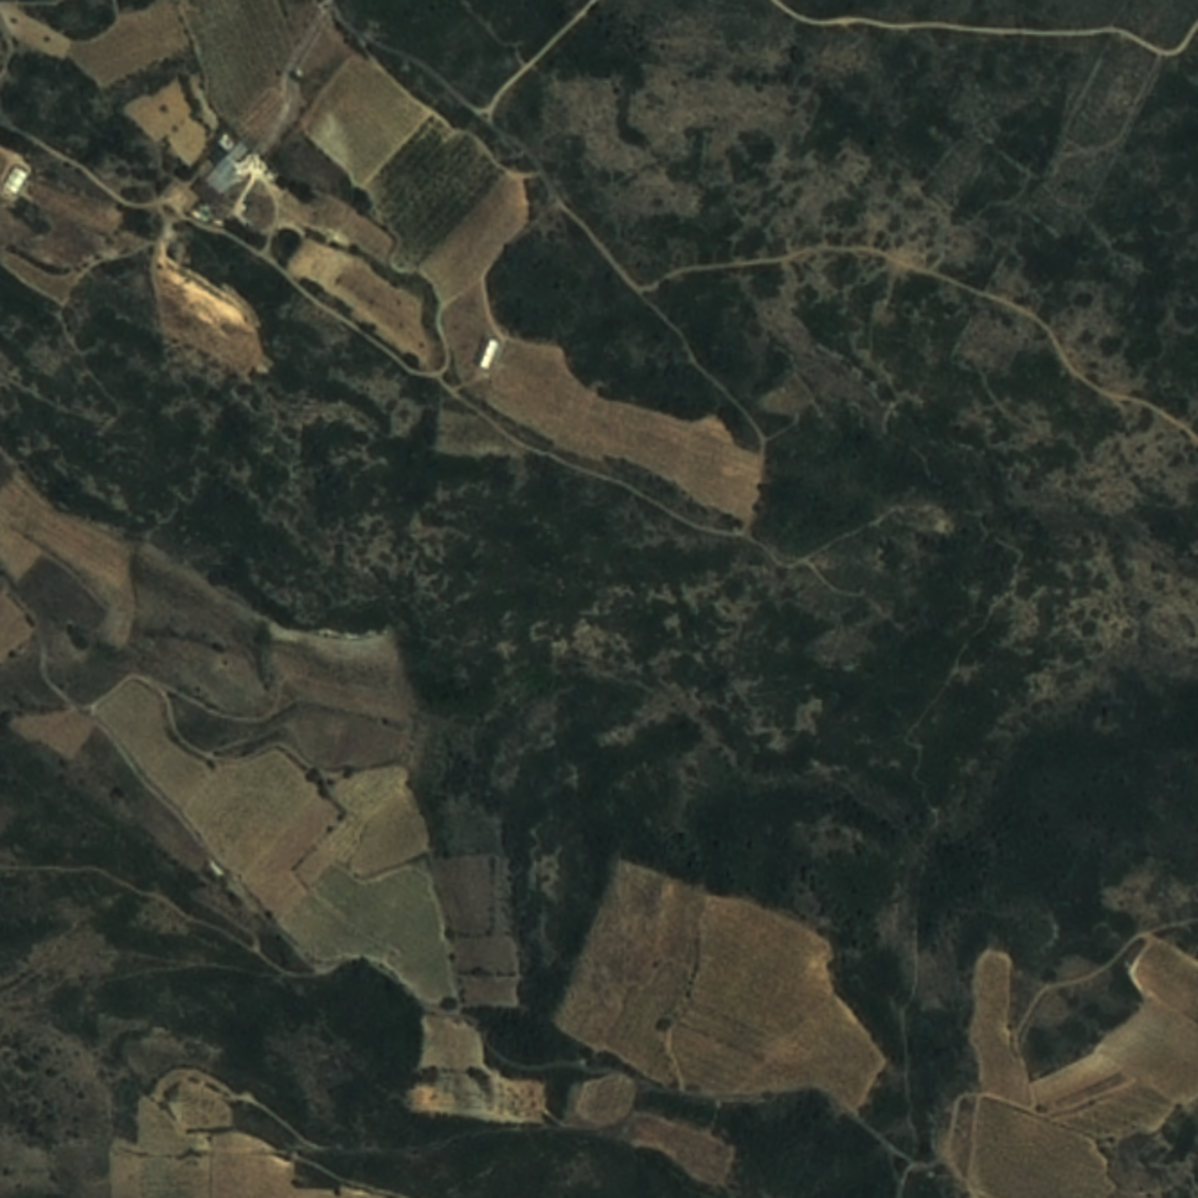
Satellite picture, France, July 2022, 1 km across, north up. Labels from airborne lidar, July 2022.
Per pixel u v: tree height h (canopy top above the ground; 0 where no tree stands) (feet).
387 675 0
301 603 0
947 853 21
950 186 0
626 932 0
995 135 0
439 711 0
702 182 0
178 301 0
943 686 0
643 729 0
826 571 0
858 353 0
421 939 0
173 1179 0
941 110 0
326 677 0
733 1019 0
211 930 0
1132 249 0
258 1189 0
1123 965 0
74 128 0
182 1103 0
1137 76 0
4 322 0
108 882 0
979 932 0
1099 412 0
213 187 0
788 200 0
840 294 0
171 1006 0
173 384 0
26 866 0
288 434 0
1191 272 0
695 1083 0
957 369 0
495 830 0
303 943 0
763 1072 0
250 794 0
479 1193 0
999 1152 0
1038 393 0
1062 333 0
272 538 0
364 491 0
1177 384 0
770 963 0
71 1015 0
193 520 0
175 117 0
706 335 0
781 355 0
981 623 0
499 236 0
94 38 0
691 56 0
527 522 0
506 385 0
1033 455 0
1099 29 0
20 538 0
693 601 0
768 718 0
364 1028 0
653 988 0
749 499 0
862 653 0
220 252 0
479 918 0
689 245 0
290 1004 0
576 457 0
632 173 0
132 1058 0
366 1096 0
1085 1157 0
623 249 0
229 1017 0
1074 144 0
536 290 0
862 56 0
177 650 0
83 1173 0
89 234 0
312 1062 0
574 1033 0
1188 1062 0
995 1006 0
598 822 0
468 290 0
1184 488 0
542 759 0
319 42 0
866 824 20
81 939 0
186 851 0
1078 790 0
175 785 0
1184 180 0
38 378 0
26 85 0
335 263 0
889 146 0
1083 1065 0
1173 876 0
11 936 0
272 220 0
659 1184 0
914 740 0
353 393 0
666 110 0
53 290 0
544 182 0
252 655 0
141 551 0
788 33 0
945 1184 0
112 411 0
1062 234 0
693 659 0
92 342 0
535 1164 0
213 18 0
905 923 0
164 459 0
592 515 0
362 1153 0
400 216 0
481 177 0
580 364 0
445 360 0
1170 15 0
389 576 0
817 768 0
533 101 0
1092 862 0
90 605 0
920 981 0
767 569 0
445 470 0
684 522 0
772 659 0
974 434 0
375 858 0
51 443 0
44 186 0
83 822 0
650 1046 0
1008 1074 0
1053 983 0
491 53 0
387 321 0
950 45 0
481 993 0
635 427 0
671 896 0
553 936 0
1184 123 0
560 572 0
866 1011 18
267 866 0
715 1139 0
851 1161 0
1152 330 0
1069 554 0
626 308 0
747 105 0
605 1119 0
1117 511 0
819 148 0
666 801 0
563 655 0
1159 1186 0
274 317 0
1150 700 0
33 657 0
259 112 0
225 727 0
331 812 0
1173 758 0
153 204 0
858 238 0
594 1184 0
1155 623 0
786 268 0
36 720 0
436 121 0
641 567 0
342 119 0
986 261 0
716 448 0
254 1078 0
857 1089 0
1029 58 0
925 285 0
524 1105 0
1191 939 0
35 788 0
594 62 0
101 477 0
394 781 0
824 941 0
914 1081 0
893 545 22
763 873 0
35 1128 20
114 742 0
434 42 0
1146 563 0
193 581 0
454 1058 0
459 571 0
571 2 0
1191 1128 0
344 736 0
